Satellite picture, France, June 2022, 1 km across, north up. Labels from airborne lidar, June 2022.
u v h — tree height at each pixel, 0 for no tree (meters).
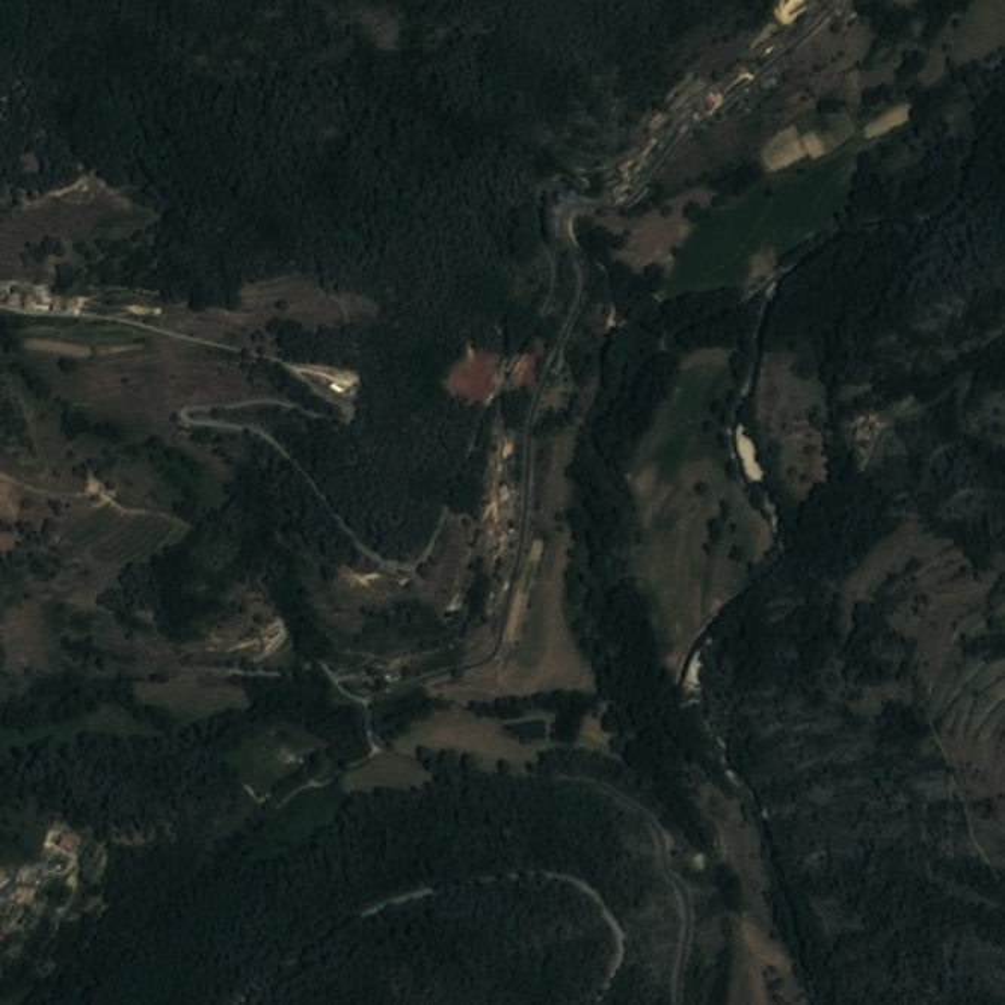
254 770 0
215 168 27
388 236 18
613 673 25
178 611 13
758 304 15
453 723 0
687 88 0
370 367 8
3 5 25
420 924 12
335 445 15
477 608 14
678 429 0
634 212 7
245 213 14
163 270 14
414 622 16
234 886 21
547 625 0
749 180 14
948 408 10
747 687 13
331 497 15
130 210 0
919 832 7
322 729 21
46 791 11
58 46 19
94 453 0
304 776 18
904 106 0
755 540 0
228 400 0
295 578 19
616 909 12
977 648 9
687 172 0
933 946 15
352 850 15
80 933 9
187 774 25
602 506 14
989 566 12
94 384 0
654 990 12
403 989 11
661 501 0
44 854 0
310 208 23
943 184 23
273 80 11
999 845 0
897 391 12
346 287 13
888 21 13
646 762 26
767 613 7
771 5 12
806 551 10
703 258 0
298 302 0
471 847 20
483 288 30
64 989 21
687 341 17
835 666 7
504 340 13
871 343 8
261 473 7
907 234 14
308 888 17
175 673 0
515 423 7
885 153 10
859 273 26
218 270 18
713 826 0
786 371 0
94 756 23
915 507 14
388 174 19
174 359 0
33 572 9
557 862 14
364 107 28
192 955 20
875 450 0
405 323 12
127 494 0
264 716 21
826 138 0
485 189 20
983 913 16
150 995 21
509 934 15
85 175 8
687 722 23
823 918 7
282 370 10
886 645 7
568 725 12
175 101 21
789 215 0
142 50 18
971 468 16
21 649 0
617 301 17
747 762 16
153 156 27
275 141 16
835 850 6
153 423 0
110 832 14
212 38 9
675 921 0
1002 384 7
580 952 15
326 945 19
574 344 9
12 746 0
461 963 17
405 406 15
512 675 0
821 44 0
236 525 19
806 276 20
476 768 15
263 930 17
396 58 11
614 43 13
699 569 0
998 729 0
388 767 0
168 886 19
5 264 0
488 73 22
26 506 10
